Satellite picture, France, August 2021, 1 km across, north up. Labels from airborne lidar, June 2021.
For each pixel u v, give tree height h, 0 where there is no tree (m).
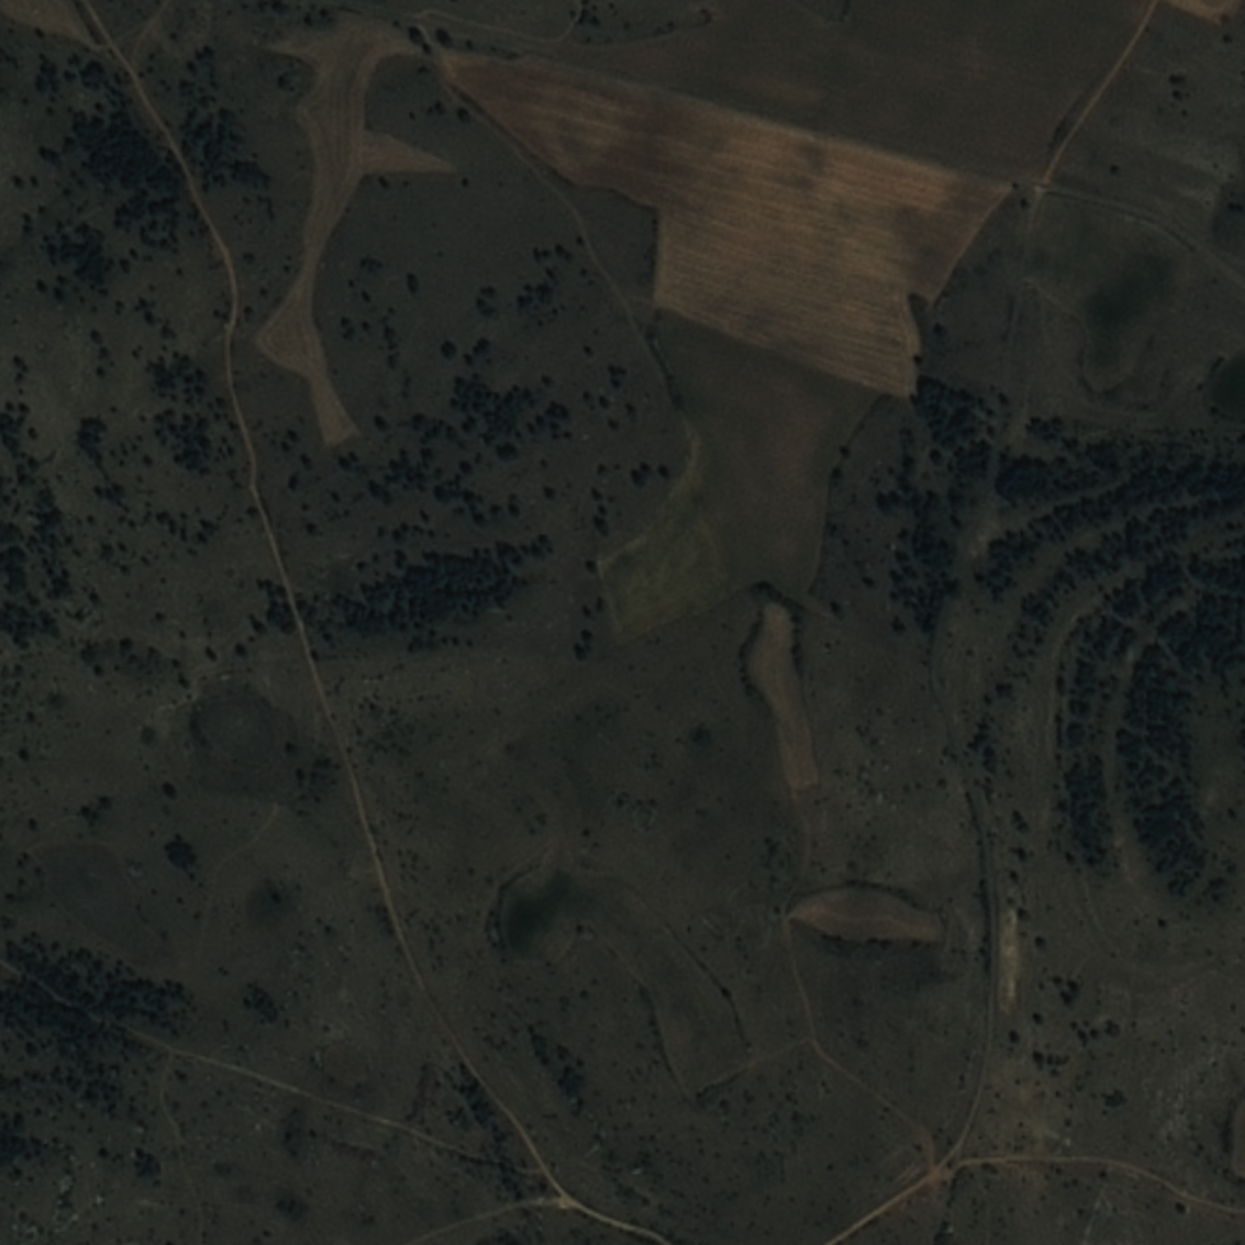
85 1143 0
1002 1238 0
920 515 7
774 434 0
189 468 7
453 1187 0
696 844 0
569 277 0
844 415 0
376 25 0
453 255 0
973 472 8
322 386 0
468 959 0
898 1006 0
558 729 0
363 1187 0
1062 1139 0
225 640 0
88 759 0
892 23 0
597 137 0
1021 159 0
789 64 0
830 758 0
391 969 0
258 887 0
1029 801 0
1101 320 0
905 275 0
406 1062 0
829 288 0
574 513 0
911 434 6
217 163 9
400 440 0
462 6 0
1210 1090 0
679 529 0
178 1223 0
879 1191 0
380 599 10
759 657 0
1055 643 0
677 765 0
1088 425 0
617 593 0
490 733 0
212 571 0
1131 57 0
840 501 0
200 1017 0
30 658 0
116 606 0
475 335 0
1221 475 11
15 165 0
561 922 0
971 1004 0
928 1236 0
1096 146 0
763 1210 0
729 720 0
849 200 0
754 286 0
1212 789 0
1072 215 0
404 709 0
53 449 0
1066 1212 0
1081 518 7
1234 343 0
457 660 0
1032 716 0
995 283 0
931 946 0
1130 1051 0
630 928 0
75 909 0
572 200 0
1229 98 0
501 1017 0
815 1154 0
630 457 0
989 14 0
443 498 13
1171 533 8
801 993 0
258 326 0
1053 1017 0
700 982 0
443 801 0
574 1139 0
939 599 6
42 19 0
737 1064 0
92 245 6
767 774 0
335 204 0
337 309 0
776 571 0
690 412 0
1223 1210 0
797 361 0
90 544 0
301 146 0
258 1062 0
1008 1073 0
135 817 0
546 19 0
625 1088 0
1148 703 10
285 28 0
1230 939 0
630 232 0
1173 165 0
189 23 0
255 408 0
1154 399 0
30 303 0
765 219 0
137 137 10
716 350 0
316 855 0
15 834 0
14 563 9
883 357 0
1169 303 0
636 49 0
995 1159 0
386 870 0
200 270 0
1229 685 6
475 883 0
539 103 0
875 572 0
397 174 0
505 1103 0
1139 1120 0
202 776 0
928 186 0
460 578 13
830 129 0
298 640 0
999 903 0
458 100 0
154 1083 0
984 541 0
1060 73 0
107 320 0
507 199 0
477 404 11
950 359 0
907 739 0
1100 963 0
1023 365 0
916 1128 0
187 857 7
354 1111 0
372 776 0
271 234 0
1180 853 7
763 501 0
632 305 0
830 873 0
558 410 11
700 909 0
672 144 0
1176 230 0
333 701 0
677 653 0
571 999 0
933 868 0
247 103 0
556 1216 0
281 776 0
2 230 0
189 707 0
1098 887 0
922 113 0
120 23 0
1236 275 0
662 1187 0
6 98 0
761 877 0
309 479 0
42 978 7
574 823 0
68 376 0
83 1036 6
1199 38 0
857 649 0
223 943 0
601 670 0
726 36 0
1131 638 8
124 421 0
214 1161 0
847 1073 0
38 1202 0
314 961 0
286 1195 0
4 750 0
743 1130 0
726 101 0
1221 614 12
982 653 0
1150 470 8
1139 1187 0
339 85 0
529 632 0
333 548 0
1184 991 0
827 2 0
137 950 0
